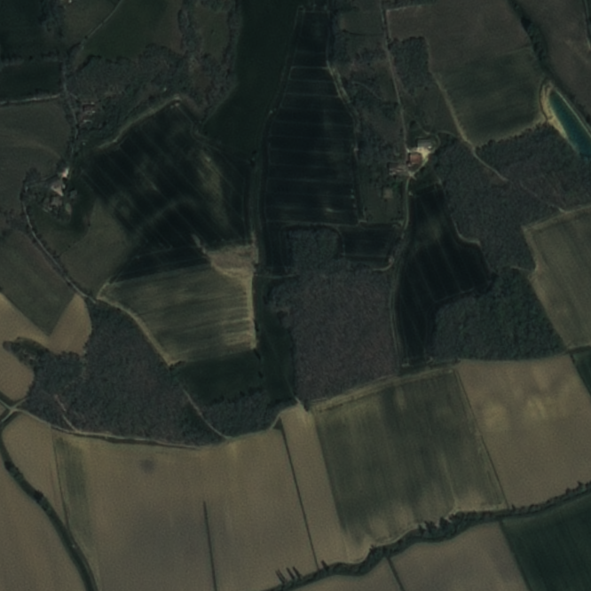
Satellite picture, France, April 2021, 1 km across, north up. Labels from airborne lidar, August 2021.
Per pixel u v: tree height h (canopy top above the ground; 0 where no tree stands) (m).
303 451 0
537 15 0
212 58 14
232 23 21
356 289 18
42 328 0
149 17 0
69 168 12
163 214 0
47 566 0
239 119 0
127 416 20
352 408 0
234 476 0
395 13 0
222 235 0
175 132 0
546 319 17
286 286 23
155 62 12
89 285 0
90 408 21
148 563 0
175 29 0
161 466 0
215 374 0
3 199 0
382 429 0
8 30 0
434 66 0
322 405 0
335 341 15
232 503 0
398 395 0
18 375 0
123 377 13
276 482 0
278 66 0
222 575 0
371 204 0
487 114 0
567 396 0
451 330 23
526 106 0
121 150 0
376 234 0
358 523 0
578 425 0
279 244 0
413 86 13
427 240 0
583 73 0
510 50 0
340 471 0
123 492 0
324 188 0
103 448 0
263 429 12
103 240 0
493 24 0
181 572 0
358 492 0
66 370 20
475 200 21
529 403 0
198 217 0
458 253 0
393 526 0
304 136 0
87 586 0
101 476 0
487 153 14
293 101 0
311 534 0
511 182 18
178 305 0
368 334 12
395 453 0
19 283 0
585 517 0
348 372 14
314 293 18
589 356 0
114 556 0
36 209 0
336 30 19
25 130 0
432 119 0
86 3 0
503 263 22
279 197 0
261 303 0
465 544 0
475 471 0
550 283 0
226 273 0
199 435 17
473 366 0
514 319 20
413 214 0
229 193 0
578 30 0
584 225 0
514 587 0
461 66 0
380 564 0
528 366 0
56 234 0
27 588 0
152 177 0
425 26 0
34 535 0
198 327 0
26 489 0
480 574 0
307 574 0
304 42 0
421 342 0
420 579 0
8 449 0
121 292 0
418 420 0
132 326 15
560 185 18
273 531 0
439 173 16
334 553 0
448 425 0
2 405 0
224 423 20
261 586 0
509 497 0
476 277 0
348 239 0
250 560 0
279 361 0
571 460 0
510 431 0
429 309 0
